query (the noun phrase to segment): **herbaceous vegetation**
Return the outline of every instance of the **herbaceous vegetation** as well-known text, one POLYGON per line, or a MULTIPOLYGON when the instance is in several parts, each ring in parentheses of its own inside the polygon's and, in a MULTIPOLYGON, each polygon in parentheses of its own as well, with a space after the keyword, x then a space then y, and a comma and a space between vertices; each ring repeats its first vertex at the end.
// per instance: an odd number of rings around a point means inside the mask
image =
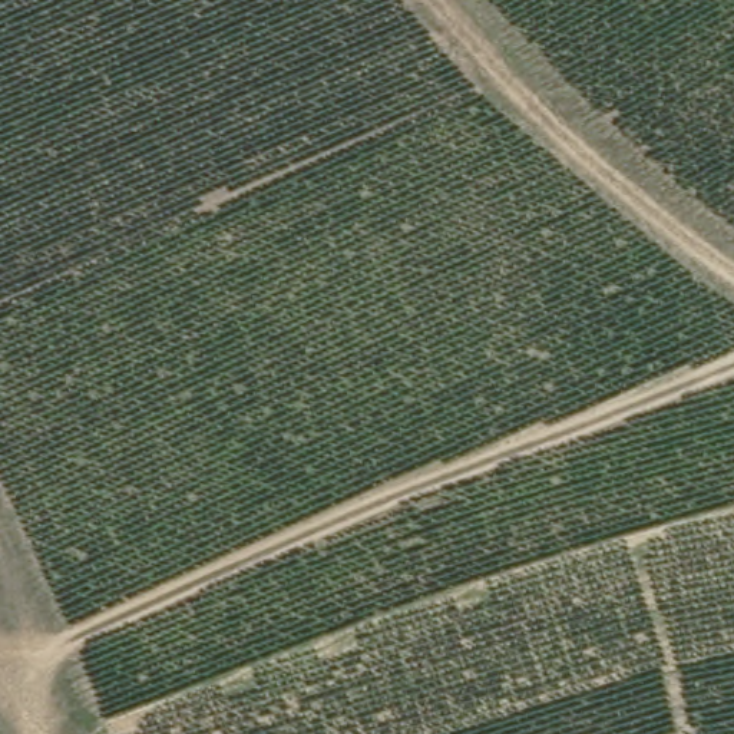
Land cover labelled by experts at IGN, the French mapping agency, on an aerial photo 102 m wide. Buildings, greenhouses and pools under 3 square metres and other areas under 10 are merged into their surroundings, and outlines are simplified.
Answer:
POLYGON ((80 651, 66 657, 54 671, 52 702, 63 717, 54 734, 106 734, 109 717, 100 708, 97 691, 86 674, 80 651))
POLYGON ((720 281, 697 261, 680 261, 694 281, 734 301, 734 287, 720 281))
POLYGON ((685 227, 700 232, 711 247, 717 247, 734 261, 734 227, 720 212, 697 201, 697 189, 680 186, 674 175, 665 175, 662 163, 648 158, 648 146, 634 138, 631 129, 619 129, 614 123, 616 112, 594 109, 576 86, 571 86, 559 75, 556 66, 548 63, 542 46, 530 43, 525 32, 513 26, 490 0, 453 0, 453 6, 464 17, 470 17, 473 29, 479 29, 490 40, 490 46, 502 54, 510 72, 530 92, 536 92, 573 132, 579 132, 602 158, 608 158, 639 189, 645 189, 654 201, 674 212, 685 227))
POLYGON ((519 115, 519 109, 482 72, 476 57, 419 0, 401 0, 404 9, 410 9, 416 20, 424 26, 430 40, 470 80, 473 92, 493 100, 505 118, 510 118, 522 132, 533 138, 533 123, 519 115))
POLYGON ((0 479, 0 631, 60 634, 69 625, 52 585, 43 576, 32 536, 26 533, 17 507, 0 479))

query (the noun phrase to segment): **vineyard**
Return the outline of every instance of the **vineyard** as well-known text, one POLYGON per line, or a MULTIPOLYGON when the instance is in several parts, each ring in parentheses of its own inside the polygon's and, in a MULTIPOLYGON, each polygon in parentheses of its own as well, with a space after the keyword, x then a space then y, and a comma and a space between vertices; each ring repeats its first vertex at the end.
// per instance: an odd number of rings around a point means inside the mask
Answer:
POLYGON ((665 252, 657 241, 651 241, 637 221, 622 218, 616 206, 605 204, 605 198, 585 178, 562 166, 551 149, 533 143, 533 138, 522 132, 510 118, 505 118, 493 100, 473 92, 470 80, 430 40, 424 26, 416 20, 410 9, 404 9, 401 0, 0 0, 0 479, 17 507, 26 533, 32 536, 43 576, 52 585, 69 625, 89 619, 143 591, 152 591, 175 576, 184 576, 206 562, 215 562, 238 548, 247 548, 264 536, 272 536, 290 525, 318 516, 399 476, 421 470, 433 462, 453 462, 487 444, 496 444, 530 424, 562 421, 645 381, 662 378, 680 367, 700 367, 734 350, 734 301, 694 281, 680 261, 671 252, 665 252))
POLYGON ((634 138, 648 146, 648 158, 662 163, 665 175, 674 175, 680 186, 697 189, 697 201, 720 212, 734 227, 734 0, 490 0, 513 26, 525 32, 530 43, 542 46, 548 63, 556 66, 559 75, 571 86, 576 86, 594 109, 616 112, 614 123, 619 129, 631 129, 634 138))
POLYGON ((97 691, 100 708, 109 717, 106 734, 734 734, 734 378, 688 393, 665 407, 637 413, 616 427, 573 439, 559 447, 539 450, 533 456, 516 456, 490 473, 410 496, 404 505, 384 516, 353 525, 335 536, 327 536, 318 545, 295 548, 278 559, 241 571, 238 576, 227 576, 184 602, 175 602, 152 616, 143 616, 140 622, 97 634, 80 651, 86 674, 97 691))

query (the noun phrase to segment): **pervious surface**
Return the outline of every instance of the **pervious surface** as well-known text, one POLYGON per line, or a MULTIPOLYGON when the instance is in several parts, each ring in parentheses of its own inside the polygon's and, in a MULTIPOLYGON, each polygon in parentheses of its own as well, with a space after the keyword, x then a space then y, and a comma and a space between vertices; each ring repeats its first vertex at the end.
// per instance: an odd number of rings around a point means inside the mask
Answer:
POLYGON ((536 92, 530 92, 510 72, 502 54, 490 46, 490 40, 479 29, 473 29, 470 17, 464 17, 453 6, 453 0, 419 0, 476 57, 482 72, 519 109, 519 115, 533 123, 533 138, 533 143, 551 149, 562 166, 585 178, 605 198, 605 204, 616 206, 622 218, 637 221, 651 241, 657 241, 665 252, 671 252, 680 261, 697 261, 720 281, 734 287, 734 261, 717 247, 711 247, 700 232, 685 227, 674 212, 654 201, 645 189, 639 189, 608 158, 602 158, 579 132, 573 132, 536 92))
POLYGON ((272 536, 264 536, 247 548, 238 548, 215 562, 206 562, 184 576, 175 576, 152 591, 143 591, 89 619, 69 625, 60 634, 0 631, 0 734, 54 734, 63 717, 52 702, 54 671, 66 657, 80 651, 97 634, 140 622, 143 616, 152 616, 175 602, 184 602, 227 576, 238 576, 241 571, 278 559, 295 548, 318 545, 327 536, 335 536, 353 525, 384 516, 404 505, 410 496, 490 473, 516 456, 533 456, 539 450, 559 447, 573 439, 616 427, 637 413, 665 407, 688 393, 734 378, 734 350, 700 367, 680 367, 662 378, 645 381, 562 421, 530 424, 496 444, 487 444, 453 462, 433 462, 421 470, 399 476, 318 516, 290 525, 272 536))

